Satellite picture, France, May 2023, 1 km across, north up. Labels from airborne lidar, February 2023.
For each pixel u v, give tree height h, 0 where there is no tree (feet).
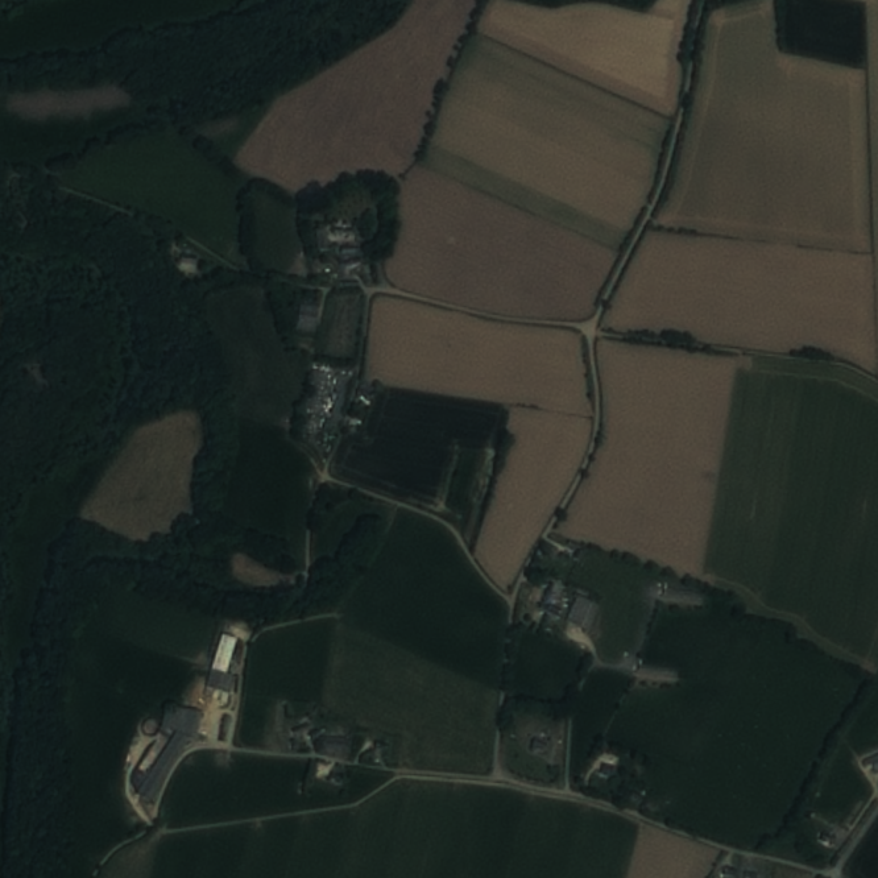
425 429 0
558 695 0
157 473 0
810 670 0
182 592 72
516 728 21
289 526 0
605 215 0
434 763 0
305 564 0
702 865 0
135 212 21
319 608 49
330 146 0
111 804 0
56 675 67
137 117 0
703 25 21
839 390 0
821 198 0
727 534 0
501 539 0
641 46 0
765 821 0
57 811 63
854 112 0
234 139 0
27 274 23
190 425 0
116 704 0
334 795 0
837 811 0
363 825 0
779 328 0
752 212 0
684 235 24
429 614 0
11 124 0
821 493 0
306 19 61
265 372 0
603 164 0
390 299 0
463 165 0
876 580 0
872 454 0
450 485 0
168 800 0
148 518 0
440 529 0
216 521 53
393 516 0
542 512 0
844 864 0
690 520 0
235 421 39
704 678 0
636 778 25
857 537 0
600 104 0
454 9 0
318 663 0
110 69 52
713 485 0
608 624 0
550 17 0
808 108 0
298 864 0
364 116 0
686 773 0
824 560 0
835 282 0
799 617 0
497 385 0
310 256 37
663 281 0
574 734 0
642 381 0
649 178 0
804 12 0
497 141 0
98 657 0
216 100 50
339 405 0
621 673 0
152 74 61
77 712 0
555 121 0
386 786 0
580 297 0
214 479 58
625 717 0
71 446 24
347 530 0
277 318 31
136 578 66
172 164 0
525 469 0
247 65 39
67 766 52
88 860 0
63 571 74
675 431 0
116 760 0
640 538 0
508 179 0
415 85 0
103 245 54
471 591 0
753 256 0
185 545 60
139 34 53
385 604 0
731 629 0
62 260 27
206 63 52
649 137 0
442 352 0
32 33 0
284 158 0
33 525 0
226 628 0
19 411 38
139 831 21
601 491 0
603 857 0
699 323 0
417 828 0
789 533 0
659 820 40
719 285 0
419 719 0
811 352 42
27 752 56
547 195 0
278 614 54
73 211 41
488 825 0
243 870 0
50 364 47
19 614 0
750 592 0
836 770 0
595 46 0
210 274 18
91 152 36
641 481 0
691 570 0
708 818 0
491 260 0
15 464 46
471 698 0
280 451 0
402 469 0
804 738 0
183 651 0
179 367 65
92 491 0
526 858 0
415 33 0
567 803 0
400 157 0
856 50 0
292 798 0
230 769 0
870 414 0
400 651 0
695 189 0
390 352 0
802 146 0
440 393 0
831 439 0
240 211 39
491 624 0
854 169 0
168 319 65
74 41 0
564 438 0
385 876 0
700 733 0
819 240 0
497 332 0
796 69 0
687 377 0
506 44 0
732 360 0
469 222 0
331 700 0
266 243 0
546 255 0
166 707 38
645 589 0
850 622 0
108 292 23
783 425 0
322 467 0
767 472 0
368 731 0
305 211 39
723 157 0
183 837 0
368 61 0
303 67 56
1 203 46
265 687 0
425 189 0
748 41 0
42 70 68
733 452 0
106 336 60
